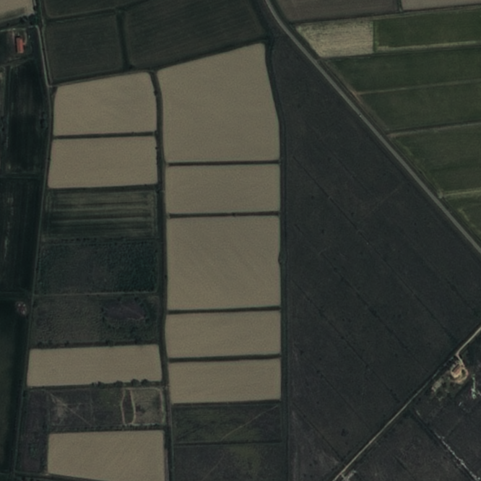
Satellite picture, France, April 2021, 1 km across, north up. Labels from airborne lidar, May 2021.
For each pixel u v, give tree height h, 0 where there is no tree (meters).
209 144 0
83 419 0
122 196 0
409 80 0
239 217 0
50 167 0
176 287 0
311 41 0
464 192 0
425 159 0
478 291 0
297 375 0
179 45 0
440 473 0
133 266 5
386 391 0
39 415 0
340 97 0
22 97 0
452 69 0
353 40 0
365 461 0
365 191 0
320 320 0
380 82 0
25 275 0
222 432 0
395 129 0
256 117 0
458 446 0
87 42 0
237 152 0
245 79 0
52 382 0
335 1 0
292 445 0
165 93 0
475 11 0
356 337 0
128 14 0
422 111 0
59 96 0
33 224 0
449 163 0
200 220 0
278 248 0
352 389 0
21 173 0
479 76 0
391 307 0
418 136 0
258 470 0
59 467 0
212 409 0
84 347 0
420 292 0
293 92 0
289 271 0
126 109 0
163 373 0
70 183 0
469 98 0
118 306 0
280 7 0
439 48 0
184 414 0
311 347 0
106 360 0
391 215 0
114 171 0
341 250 0
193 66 0
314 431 0
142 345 9
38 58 6
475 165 0
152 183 0
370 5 0
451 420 0
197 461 0
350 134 0
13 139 0
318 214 0
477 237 0
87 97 0
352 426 0
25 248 0
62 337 0
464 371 6
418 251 0
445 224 0
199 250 0
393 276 0
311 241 0
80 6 0
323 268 0
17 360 0
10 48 0
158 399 0
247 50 0
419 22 0
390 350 0
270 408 0
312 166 0
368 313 0
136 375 0
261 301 0
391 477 0
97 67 0
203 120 0
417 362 0
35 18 10
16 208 0
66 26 0
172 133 0
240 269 0
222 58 0
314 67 0
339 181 0
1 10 0
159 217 0
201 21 0
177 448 0
